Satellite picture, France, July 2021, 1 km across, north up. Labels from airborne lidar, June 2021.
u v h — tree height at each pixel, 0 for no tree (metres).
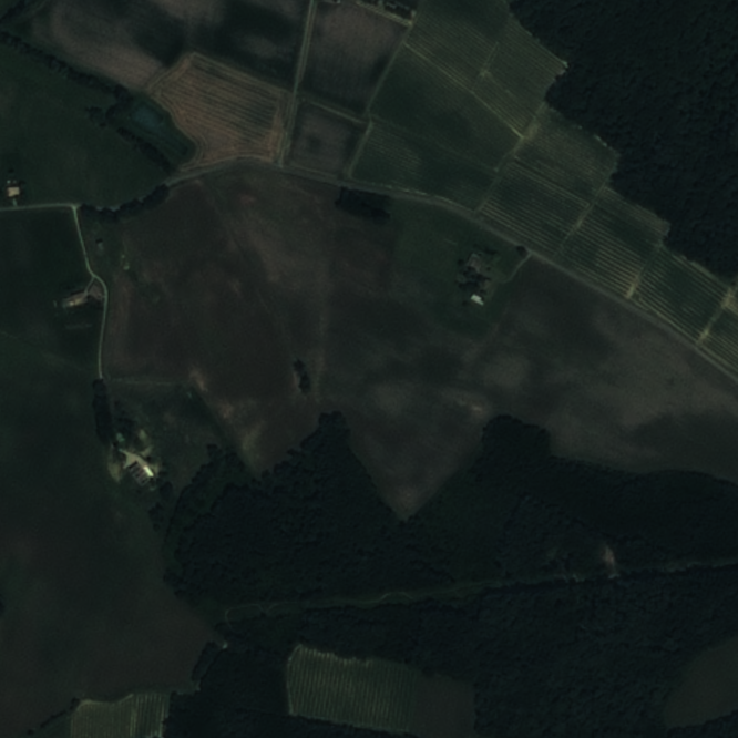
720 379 0
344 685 0
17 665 0
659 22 20
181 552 15
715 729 15
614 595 21
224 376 0
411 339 0
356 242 0
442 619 23
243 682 8
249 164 0
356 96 0
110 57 0
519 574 22
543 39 15
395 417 0
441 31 0
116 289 0
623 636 23
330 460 19
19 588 0
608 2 22
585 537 22
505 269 0
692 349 0
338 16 0
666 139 20
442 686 0
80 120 0
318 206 0
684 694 0
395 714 0
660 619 20
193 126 0
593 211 0
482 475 9
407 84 0
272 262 0
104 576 0
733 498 16
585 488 10
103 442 10
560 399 0
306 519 7
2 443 0
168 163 17
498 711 17
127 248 0
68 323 0
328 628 21
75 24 0
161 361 0
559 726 21
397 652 7
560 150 0
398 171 0
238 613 0
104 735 0
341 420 20
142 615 0
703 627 21
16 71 0
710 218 20
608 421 0
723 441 0
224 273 0
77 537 0
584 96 14
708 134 18
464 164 0
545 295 0
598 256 0
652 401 0
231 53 0
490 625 26
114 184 0
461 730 0
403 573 17
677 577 15
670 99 18
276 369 0
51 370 0
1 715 0
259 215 0
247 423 0
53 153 0
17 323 0
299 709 0
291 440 0
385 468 0
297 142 0
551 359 0
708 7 19
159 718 0
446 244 0
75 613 0
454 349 0
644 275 0
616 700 14
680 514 9
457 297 0
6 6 0
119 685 0
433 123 0
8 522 0
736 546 18
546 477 14
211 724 8
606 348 0
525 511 19
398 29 0
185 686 0
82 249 0
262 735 11
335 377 0
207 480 13
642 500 21
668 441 0
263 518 17
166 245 0
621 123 10
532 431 10
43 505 0
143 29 0
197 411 0
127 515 0
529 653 18
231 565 14
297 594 15
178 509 10
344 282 0
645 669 15
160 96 0
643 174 19
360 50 0
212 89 0
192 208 0
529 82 0
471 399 0
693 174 21
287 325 0
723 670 0
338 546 15
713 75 12
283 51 0
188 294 0
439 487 0
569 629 22
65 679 0
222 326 0
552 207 0
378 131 0
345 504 18
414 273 0
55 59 15
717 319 0
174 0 0
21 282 0
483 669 21
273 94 0
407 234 0
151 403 0
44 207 0
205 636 0
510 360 0
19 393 0
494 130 0
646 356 0
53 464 0
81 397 0
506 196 0
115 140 0
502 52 0
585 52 22
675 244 13
